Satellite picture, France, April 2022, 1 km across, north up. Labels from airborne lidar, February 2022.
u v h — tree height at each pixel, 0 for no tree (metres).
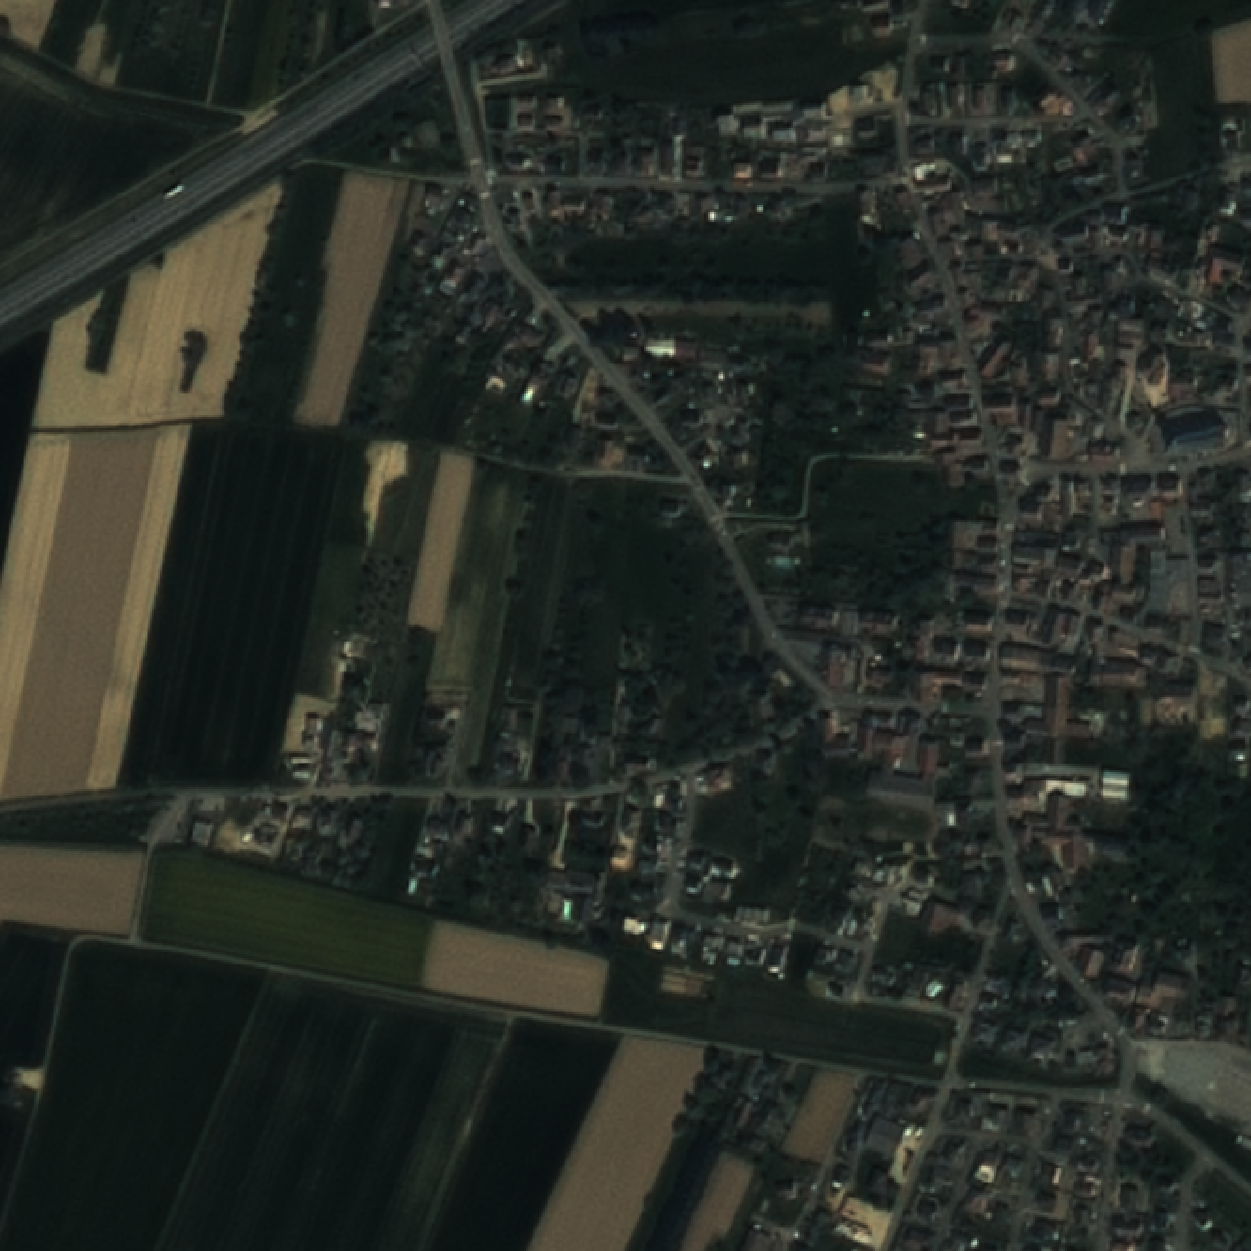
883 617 0
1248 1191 0
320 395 0
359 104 0
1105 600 0
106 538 0
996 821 0
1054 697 0
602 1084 0
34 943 0
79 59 0
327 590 0
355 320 0
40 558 0
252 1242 0
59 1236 0
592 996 0
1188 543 0
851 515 0
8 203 0
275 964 0
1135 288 0
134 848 0
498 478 0
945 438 0
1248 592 0
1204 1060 0
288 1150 0
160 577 0
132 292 0
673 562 7
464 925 0
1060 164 0
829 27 0
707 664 0
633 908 0
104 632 0
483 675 0
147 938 0
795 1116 0
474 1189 0
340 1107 0
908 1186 0
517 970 0
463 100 0
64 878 0
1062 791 0
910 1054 0
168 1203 0
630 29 18
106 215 0
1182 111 0
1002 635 0
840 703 0
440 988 0
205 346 8
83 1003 0
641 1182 0
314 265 0
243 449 0
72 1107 0
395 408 0
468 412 0
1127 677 0
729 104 0
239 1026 0
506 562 0
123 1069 0
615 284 9
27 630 0
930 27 0
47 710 0
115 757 0
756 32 12
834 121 0
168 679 0
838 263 0
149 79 0
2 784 0
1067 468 0
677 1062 0
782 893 0
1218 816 15
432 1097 0
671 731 0
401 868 0
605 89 0
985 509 0
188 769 0
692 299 9
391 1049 0
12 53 0
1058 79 0
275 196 0
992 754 0
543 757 11
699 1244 0
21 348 0
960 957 0
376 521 0
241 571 0
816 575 6
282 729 0
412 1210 0
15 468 0
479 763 0
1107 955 8
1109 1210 0
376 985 0
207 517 0
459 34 0
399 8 0
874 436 9
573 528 0
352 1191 0
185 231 0
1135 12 0
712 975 0
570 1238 0
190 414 0
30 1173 0
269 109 0
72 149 0
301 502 0
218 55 0
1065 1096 0
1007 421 0
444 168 0
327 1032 0
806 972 0
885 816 0
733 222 0
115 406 0
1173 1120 0
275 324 0
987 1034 0
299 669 0
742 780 0
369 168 0
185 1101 0
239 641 0
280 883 0
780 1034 0
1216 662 0
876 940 0
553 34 8
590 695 10
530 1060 0
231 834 0
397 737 0
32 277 0
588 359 0
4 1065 0
